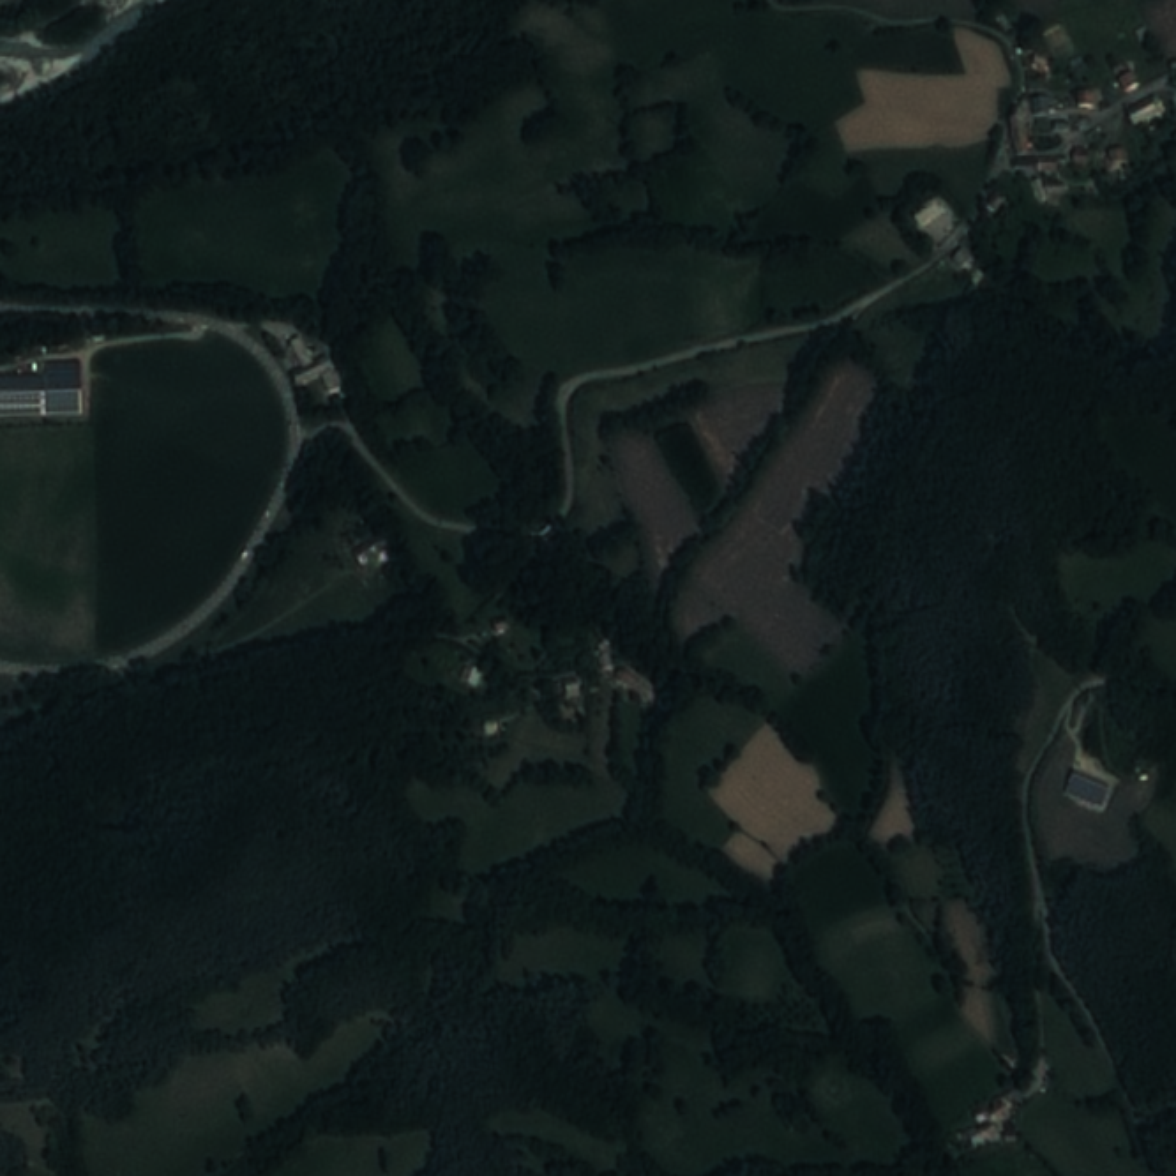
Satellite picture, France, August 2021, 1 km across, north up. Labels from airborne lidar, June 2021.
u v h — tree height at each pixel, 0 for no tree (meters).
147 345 0
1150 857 14
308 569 0
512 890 26
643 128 0
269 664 27
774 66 0
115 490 0
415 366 0
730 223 0
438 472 0
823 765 0
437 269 24
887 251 0
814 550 12
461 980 18
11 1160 12
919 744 18
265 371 0
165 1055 19
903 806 0
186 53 7
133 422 0
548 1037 26
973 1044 0
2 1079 12
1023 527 19
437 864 21
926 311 14
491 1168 17
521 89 14
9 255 16
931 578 17
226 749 22
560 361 0
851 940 0
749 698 18
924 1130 19
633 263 0
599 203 22
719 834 0
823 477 0
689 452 8
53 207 20
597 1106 22
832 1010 19
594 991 25
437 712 14
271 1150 11
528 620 16
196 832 16
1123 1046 16
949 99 0
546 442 19
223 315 16
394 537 25
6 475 0
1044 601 17
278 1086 0
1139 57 0
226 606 0
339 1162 0
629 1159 6
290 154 22
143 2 0
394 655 25
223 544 0
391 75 17
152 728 31
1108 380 23
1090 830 0
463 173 0
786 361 0
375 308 26
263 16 15
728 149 0
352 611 0
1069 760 0
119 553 0
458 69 19
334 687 23
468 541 0
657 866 0
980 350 20
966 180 0
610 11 0
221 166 18
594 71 0
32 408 0
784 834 0
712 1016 20
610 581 23
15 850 25
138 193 21
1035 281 24
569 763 0
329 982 19
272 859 16
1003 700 18
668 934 18
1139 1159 11
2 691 0
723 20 0
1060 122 0
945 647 15
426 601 24
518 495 23
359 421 16
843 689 0
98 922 16
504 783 0
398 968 20
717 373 0
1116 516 21
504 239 0
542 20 0
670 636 15
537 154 0
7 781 26
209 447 0
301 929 15
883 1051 23
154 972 15
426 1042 19
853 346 15
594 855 17
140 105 7
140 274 22
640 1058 18
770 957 0
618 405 0
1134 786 0
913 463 20
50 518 0
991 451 15
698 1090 0
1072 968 14
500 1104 17
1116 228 0
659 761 19
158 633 0
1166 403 30
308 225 0
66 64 0
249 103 7
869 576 16
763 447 17
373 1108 20
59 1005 16
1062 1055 0
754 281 0
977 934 0
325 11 8
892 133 0
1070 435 23
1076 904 15
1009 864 13
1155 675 9
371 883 22
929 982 0
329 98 17
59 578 0
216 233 0
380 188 23
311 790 19
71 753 29
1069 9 0
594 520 0
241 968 16
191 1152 0
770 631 0
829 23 0
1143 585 0
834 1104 0
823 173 0
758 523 0
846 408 0
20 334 23
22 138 19
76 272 0
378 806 25
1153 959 16
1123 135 0
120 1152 0
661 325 0
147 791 19
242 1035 8
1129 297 6
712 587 0
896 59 0
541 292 0
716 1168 0
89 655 0
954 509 17
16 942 18
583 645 7
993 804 19
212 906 16
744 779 0
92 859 21
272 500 0
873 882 0
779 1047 17
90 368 0
